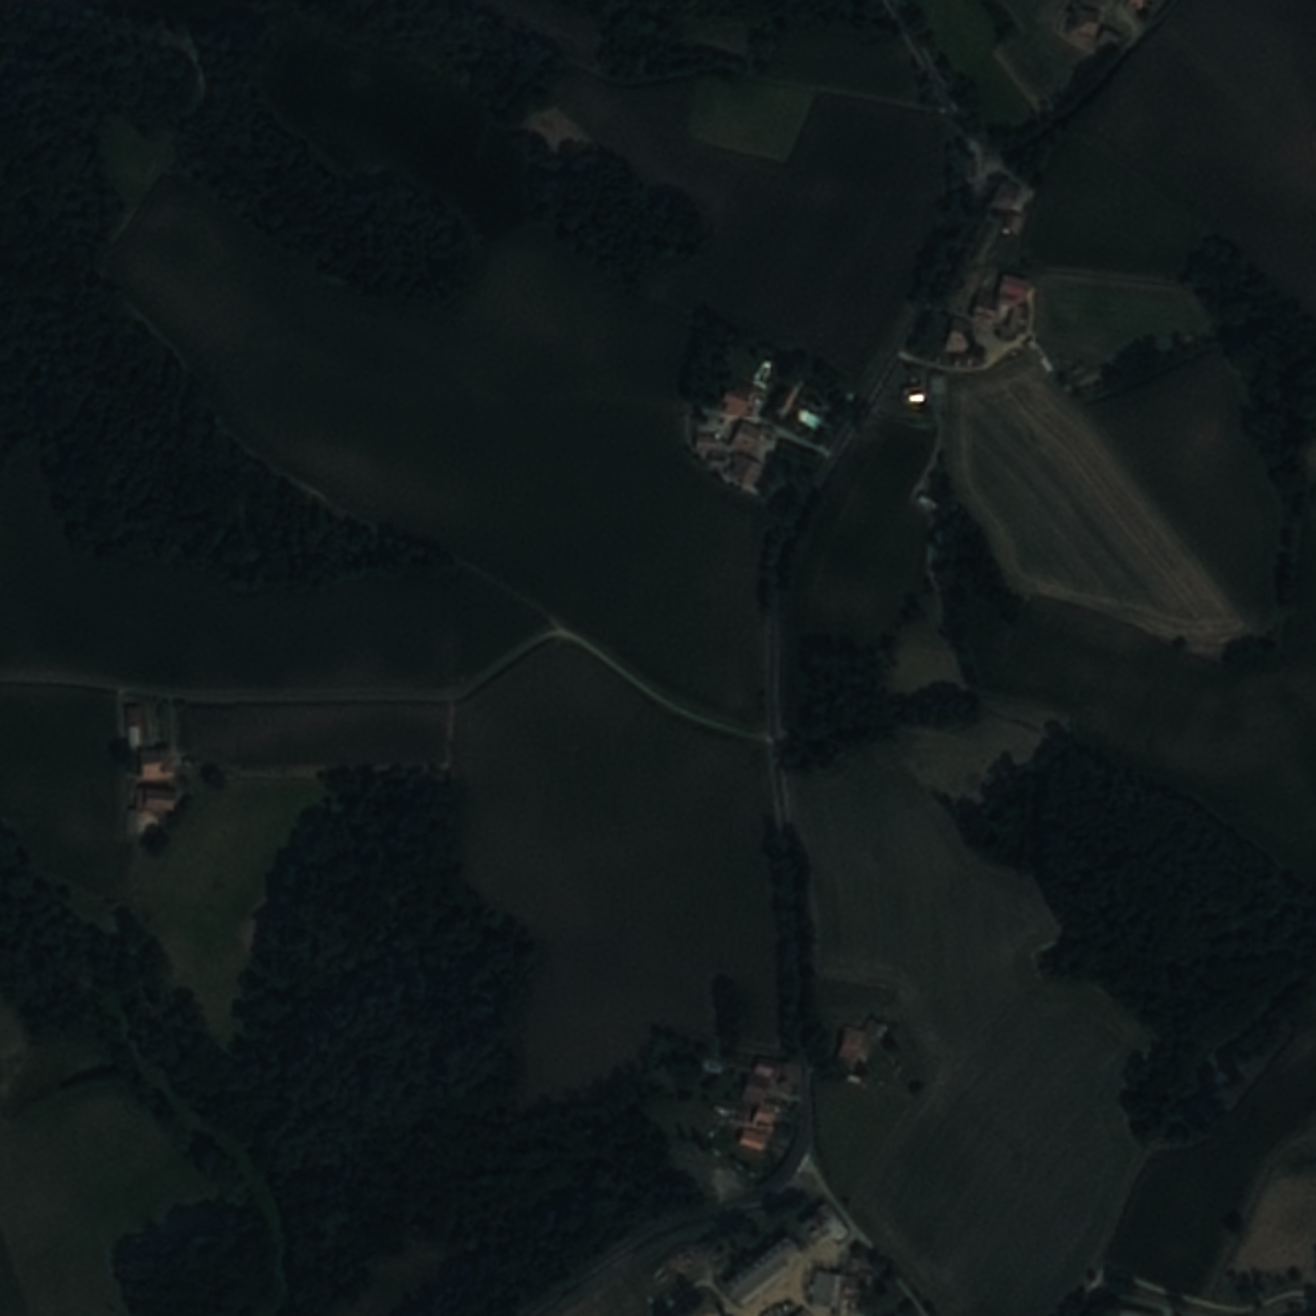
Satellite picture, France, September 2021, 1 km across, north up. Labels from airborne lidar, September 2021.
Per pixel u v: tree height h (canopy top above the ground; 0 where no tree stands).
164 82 11
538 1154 20
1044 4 0
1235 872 10
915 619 16
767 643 0
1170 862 17
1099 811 23
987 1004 0
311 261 7
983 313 0
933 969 0
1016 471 0
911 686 0
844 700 28
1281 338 23
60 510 20
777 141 0
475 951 9
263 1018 23
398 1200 26
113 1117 0
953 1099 0
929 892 0
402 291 7
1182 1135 12
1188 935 18
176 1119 11
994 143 10
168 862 0
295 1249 23
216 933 0
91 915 0
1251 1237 0
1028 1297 0
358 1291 17
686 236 16
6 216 20
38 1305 0
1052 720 0
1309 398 27
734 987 11
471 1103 31
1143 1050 0
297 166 22
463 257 24
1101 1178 0
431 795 23
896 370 0
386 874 23
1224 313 25
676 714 0
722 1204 0
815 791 0
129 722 0
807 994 19
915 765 0
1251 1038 21
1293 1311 11
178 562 13
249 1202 20
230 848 0
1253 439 20
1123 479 0
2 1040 0
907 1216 0
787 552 18
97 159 22
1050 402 0
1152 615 0
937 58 7
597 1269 0
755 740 0
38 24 18
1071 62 0
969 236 20
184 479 22
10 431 7
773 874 9
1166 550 0
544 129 0
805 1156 0
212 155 18
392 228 21
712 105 0
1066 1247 0
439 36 22
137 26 16
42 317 20
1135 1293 14
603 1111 24
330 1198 27
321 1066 30
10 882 24
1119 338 0
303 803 0
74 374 30
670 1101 10
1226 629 0
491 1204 14
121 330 13
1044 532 0
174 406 13
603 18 14
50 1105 0
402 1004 27
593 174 20
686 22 0
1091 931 22
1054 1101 0
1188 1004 13
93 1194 0
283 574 17
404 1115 19
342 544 10
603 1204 19
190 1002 16
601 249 15
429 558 21
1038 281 0
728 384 9
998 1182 0
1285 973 24
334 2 23
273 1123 31
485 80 24
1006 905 0
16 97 19
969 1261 0
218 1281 24
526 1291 23
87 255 23
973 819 18
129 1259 19
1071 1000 0
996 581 16
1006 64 0
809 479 13
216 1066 25
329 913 28
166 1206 0
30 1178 0
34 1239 0
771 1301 0
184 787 7
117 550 19
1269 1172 0
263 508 19
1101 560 0
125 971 23
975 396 0
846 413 11
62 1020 22
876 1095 0
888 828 0
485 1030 31
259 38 19
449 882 19
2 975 19
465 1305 25
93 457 29
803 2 20
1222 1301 0
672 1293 0
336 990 28
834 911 0
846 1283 0
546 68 22
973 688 17
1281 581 15
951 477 9
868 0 13
